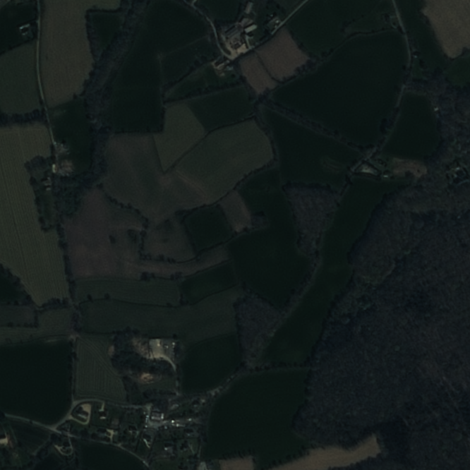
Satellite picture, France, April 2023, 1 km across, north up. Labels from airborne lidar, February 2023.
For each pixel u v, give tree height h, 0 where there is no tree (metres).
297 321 0
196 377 0
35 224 0
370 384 17
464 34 0
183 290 0
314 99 0
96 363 0
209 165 0
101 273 0
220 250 0
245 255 0
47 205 0
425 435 17
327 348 20
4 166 0
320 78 0
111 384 0
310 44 0
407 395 17
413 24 0
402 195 15
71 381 13
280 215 0
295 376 0
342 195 7
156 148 0
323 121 0
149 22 0
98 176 17
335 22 0
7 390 0
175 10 0
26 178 0
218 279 0
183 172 0
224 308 0
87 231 0
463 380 19
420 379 17
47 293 0
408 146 0
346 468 0
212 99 0
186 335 0
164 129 9
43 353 0
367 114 0
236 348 0
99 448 0
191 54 0
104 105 15
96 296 0
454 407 14
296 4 0
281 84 8
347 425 19
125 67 0
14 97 0
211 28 8
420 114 0
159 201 0
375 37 0
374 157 7
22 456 0
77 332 18
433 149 0
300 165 0
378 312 21
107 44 0
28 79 0
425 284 21
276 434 0
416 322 21
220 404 0
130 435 0
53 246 0
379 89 0
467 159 22
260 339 19
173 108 0
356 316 14
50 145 0
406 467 19
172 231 0
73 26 0
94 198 0
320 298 0
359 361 20
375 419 18
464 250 27
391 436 21
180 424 0
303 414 19
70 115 0
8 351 0
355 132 0
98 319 0
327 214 20
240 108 0
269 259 0
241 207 0
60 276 0
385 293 22
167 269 0
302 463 0
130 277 0
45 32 0
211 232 0
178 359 13
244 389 0
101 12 8
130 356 7
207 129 0
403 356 19
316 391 21
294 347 0
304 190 18
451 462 20
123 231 0
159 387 0
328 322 7
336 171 0
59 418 0
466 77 0
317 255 18
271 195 0
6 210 0
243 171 0
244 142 0
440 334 23
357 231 0
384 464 26
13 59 0
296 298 13
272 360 0
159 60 0
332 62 0
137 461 0
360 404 20
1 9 0
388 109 0
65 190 7
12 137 0
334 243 0
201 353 0
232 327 0
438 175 23
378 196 0
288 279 0
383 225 29
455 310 22
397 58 0
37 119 20
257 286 0
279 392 0
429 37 0
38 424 0
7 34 0
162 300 0
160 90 0
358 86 0
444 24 0
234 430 0
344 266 0
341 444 15
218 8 0
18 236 0
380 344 19
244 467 0
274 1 8
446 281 20
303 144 0
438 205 26
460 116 34
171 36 0
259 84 0
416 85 17
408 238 33
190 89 0
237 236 7
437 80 18
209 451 0
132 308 0
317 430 17
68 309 15
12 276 19
